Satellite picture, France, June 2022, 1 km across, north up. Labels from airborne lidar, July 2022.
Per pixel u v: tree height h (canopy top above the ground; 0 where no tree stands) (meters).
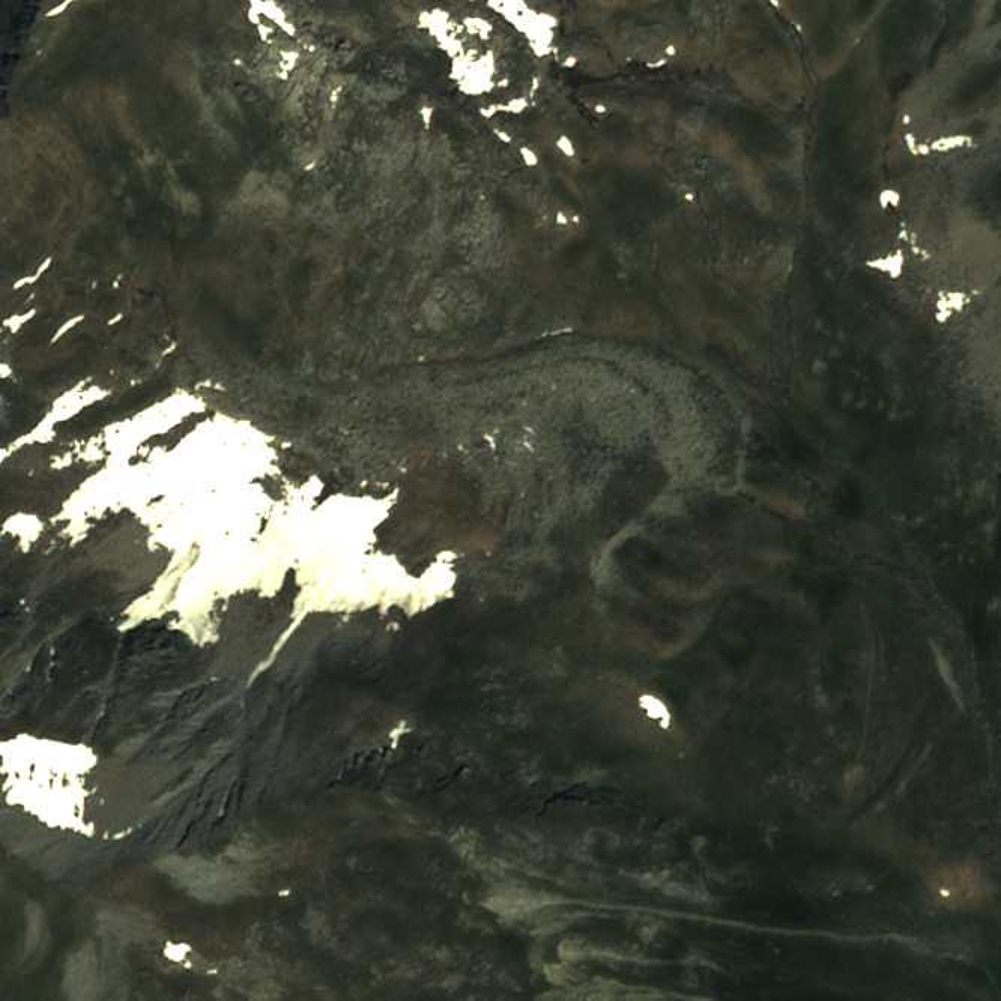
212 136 0
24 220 0
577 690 0
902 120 0
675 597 0
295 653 0
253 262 0
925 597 0
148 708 0
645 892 0
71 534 0
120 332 0
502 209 0
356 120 0
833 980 0
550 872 0
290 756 0
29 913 0
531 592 0
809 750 0
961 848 0
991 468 0
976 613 0
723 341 0
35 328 0
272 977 0
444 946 0
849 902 0
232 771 0
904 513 0
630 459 0
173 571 0
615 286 0
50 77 0
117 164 0
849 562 0
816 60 0
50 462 0
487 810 0
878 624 0
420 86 0
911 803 0
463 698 0
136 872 0
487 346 0
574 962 0
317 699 0
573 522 0
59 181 0
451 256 0
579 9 0
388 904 0
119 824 0
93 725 0
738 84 0
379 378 0
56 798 0
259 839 0
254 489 0
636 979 0
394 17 0
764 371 0
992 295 0
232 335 0
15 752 0
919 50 0
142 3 0
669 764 0
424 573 0
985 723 0
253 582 0
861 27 0
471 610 0
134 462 0
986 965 0
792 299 0
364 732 0
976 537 0
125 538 0
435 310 0
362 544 0
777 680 0
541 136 0
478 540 0
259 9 0
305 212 0
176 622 0
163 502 0
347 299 0
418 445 0
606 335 0
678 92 0
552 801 12
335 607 0
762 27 0
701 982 0
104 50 0
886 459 0
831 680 0
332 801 0
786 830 0
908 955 0
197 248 0
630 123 0
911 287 0
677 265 0
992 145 0
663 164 0
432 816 0
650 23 0
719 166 0
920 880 0
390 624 0
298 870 0
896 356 0
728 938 0
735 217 0
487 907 0
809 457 0
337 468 0
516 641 0
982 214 0
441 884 0
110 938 0
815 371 0
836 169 0
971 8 0
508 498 0
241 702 0
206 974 0
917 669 0
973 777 0
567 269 0
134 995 0
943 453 0
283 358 0
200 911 0
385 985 0
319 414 0
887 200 0
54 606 0
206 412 0
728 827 0
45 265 0
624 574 0
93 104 0
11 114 0
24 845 0
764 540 0
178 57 0
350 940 0
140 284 0
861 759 0
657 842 0
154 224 0
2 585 0
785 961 0
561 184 0
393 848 0
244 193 0
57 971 0
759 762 0
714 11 0
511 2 0
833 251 0
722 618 0
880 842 0
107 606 0
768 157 0
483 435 0
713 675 0
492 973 0
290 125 0
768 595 0
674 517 0
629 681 0
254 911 0
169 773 0
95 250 0
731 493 0
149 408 0
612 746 0
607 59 0
